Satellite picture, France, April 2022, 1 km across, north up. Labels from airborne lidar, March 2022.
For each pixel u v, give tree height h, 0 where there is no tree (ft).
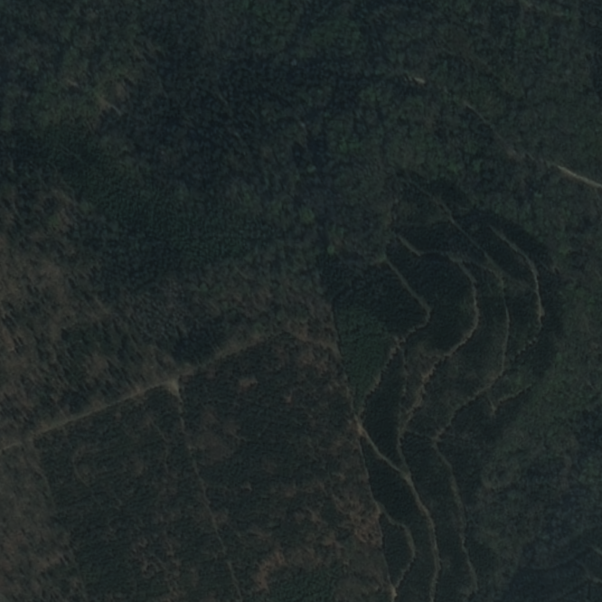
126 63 108
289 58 111
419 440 79
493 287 49
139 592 29
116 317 43
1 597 0
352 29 102
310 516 35
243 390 31
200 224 30
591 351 74
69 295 23
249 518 20
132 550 34
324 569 41
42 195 33
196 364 88
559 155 93
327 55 93
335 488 25
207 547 26
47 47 109
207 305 79
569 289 86
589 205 86
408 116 114
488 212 59
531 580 70
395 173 78
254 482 26
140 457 30
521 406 75
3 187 100
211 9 89
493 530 63
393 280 72
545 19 28
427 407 54
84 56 67
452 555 60
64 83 96
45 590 90
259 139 144
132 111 72
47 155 31
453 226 58
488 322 44
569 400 79
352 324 67
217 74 95
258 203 98
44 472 68
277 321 50
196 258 39
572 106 22
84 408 75
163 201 30
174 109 27
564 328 61
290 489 33
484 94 39
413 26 90
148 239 42
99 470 31
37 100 87
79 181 37
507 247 58
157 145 74
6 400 0
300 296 78
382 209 88
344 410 21
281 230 49
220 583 20
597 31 60
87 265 33
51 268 0
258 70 106
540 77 95
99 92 113
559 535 96
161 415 19
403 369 47
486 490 118
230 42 66
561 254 100
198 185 95
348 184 106
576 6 94
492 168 94
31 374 0
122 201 33
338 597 45
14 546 0
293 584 42
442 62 74
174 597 41
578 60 89
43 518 0
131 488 26
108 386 0
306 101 114
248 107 131
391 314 70
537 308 61
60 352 70
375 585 54
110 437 26
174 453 26
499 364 43
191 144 76
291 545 26
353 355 57
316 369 30
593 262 92
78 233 77
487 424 66
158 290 71
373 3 54
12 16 94
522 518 69
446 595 66
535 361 58
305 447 24
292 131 112
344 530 28
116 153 48
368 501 27
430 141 105
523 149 72
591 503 76
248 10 85
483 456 57
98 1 105
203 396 37
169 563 49
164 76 100
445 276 61
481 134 92
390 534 65
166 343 95
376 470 56
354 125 116
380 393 55
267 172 104
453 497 73
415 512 63
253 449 40
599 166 37
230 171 112
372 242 100
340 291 63
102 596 55
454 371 62
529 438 66
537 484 122
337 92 103
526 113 97
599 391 118
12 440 72
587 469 111
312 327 21
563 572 46
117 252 90
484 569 67
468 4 84
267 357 24
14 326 85
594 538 61
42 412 68
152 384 58
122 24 132
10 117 101
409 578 57
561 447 91
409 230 46
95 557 19
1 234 69
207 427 38
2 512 0
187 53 81
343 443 27
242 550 21
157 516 29
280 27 93
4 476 0
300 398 37
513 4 23
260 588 22
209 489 21
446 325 53
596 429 107
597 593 65
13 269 44
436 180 41
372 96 110
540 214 115
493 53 42
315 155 91
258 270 18
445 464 54
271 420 37
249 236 38
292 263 64
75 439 32
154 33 94
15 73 99
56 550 78
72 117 30
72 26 103
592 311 99
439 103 88
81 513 29
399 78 88
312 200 111
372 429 56
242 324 84
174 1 37
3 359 70
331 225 112
